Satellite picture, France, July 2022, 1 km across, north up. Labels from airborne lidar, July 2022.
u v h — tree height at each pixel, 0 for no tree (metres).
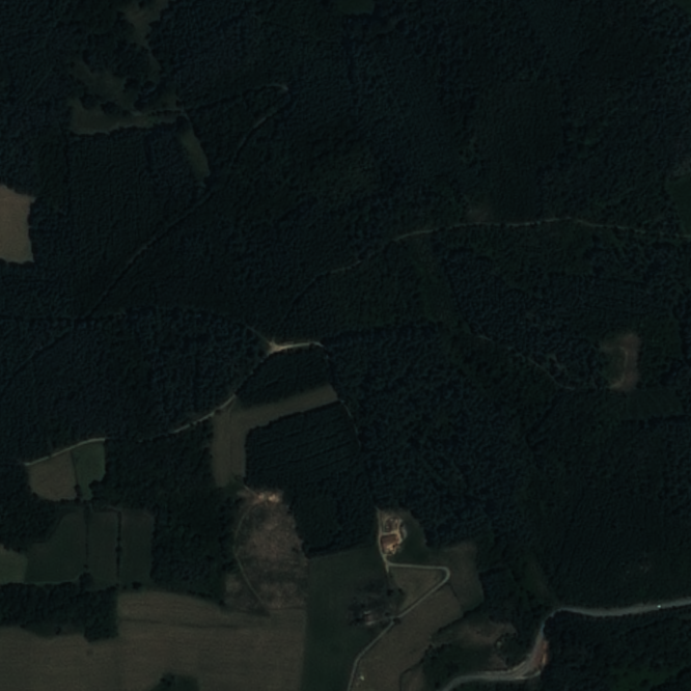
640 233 7
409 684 0
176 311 26
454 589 0
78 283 16
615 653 20
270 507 0
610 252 25
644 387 14
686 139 28
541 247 6
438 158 14
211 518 6
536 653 0
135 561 0
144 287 9
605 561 13
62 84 21
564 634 35
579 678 15
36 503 8
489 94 21
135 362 15
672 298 21
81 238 18
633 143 23
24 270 18
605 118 16
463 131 10
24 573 0
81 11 21
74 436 14
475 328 22
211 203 15
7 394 27
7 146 30
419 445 36
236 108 11
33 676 0
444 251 21
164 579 15
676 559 7
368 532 18
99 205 17
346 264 12
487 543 8
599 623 14
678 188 0
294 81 11
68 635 0
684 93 29
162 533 14
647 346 6
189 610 0
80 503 13
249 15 23
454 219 8
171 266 9
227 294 19
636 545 12
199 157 0
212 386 27
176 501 6
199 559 18
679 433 23
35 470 0
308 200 9
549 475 15
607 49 18
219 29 22
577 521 13
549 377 6
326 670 0
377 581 0
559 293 11
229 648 0
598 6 19
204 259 18
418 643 0
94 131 0
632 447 17
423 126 15
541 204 11
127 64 17
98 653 0
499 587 20
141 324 29
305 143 14
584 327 9
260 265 21
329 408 13
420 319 9
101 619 18
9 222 0
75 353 21
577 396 19
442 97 17
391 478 37
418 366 32
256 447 14
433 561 0
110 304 11
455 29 16
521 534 31
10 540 8
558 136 8
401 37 14
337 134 10
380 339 36
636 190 8
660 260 27
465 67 19
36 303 20
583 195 18
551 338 8
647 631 14
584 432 14
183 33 17
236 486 0
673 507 6
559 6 15
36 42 32
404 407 35
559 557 9
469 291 21
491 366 8
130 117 12
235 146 10
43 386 22
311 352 12
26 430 24
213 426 9
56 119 24
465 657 0
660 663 7
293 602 0
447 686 0
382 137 24
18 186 25
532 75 14
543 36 17
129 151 16
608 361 7
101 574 0
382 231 21
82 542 0
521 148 7
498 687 8
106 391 17
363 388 7
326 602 0
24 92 33
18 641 0
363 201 14
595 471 11
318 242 13
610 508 12
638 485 9
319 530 6
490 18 11
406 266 10
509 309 21
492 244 7
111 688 0
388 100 18
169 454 13
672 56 26
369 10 0
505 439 32
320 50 15
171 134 24
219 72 22
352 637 0
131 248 13
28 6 25
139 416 15
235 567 15
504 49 16
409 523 0
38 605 16
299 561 0
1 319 24
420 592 0
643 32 19
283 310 16
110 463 10
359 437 7
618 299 21
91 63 22
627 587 6
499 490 39
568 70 16
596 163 19
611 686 8
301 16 7
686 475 13
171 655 0
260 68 10
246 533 0
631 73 14
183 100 9
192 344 30
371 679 0
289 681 0
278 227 19
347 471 13
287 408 0
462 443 36
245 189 10
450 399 36
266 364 12
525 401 8
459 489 8
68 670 0
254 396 12
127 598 0
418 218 15
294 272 23
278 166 17
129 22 11
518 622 13
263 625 0
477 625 0
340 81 25
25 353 25
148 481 13
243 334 26
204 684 0
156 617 0
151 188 19
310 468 15
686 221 0
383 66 13
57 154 9
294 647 0
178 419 22
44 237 19
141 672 0
